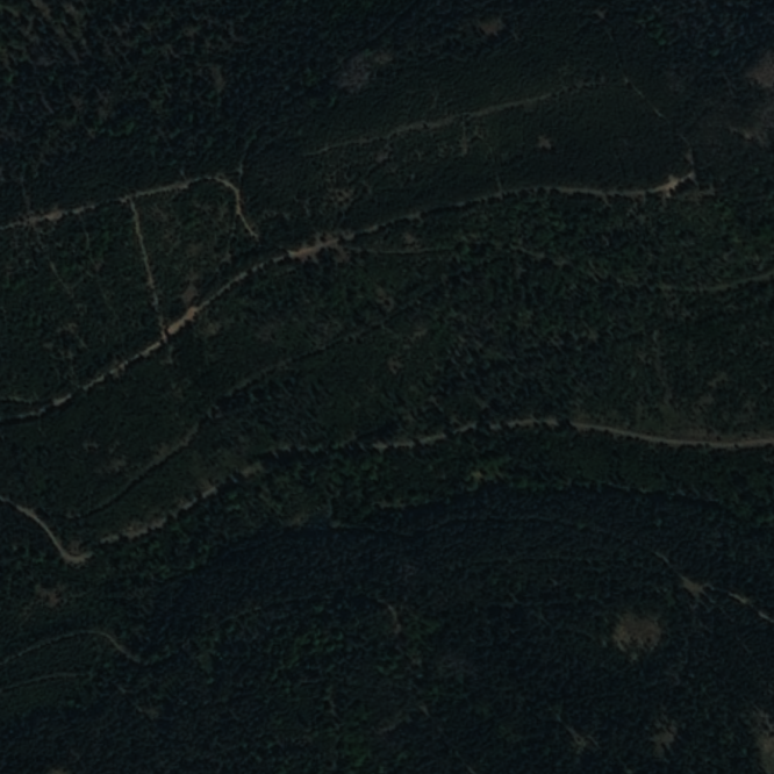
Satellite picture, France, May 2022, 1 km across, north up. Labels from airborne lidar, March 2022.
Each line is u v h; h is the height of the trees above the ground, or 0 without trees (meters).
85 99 14
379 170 8
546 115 9
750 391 9
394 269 6
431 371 7
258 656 23
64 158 17
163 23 7
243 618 9
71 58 33
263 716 23
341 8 12
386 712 31
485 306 27
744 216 14
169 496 7
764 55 26
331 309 27
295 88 23
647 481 6
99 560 8
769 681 19
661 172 18
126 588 10
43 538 20
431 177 7
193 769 27
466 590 24
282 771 19
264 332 30
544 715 27
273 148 13
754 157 25
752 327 6
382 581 22
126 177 11
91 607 8
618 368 7
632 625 0
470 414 11
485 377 38
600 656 14
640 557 14
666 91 15
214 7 7
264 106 17
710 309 7
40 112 25
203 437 11
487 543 15
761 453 12
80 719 21
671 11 27
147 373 7
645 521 21
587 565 19
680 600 22
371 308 28
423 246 8
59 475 7
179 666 23
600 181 15
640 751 34
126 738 21
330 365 6
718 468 9
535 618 33
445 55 10
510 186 12
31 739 21
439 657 19
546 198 7
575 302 25
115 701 16
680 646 29
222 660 23
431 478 8
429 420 10
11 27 36
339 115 7
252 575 20
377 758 25
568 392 34
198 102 18
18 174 17
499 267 7
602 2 14
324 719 10
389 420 7
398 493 9
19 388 7
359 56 20
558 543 22
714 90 15
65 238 7
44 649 6
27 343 12
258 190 10
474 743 26
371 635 20
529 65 11
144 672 20
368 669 21
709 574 25
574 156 15
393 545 23
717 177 16
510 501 24
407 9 7
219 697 22
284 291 5
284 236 9
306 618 24
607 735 39
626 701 25
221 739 25
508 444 29
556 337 26
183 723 24
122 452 7
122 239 7
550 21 12
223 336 7
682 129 11
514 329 25
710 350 8
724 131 21
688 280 22
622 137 11
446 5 22
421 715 29
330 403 9
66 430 6
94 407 8
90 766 18
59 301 6
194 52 15
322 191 7
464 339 30
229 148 17
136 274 6
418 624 27
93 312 8
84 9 15
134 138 15
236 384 9
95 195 6
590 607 28
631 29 17
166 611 20
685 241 25
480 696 25
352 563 23
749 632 24
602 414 7
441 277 7
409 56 16
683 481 7
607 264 22
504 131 6
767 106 23
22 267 9
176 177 13
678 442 0
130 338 7
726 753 30
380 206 11
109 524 7
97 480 6
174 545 29
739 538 28
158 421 8
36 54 34
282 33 16
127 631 8
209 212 6
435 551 21
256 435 27
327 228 11
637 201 9
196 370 9
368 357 6
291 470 30
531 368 29
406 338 8
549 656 28
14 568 7
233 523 23
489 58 6
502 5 22
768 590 25
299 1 18
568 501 29
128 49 5
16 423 16
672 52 18
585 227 6
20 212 10
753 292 32
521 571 8
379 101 9
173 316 12
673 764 32
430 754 27
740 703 28
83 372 8
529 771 21
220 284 8
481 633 22
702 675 31
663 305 9
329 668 14
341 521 15
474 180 12
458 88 5
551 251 16
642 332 8
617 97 7
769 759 0
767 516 26
